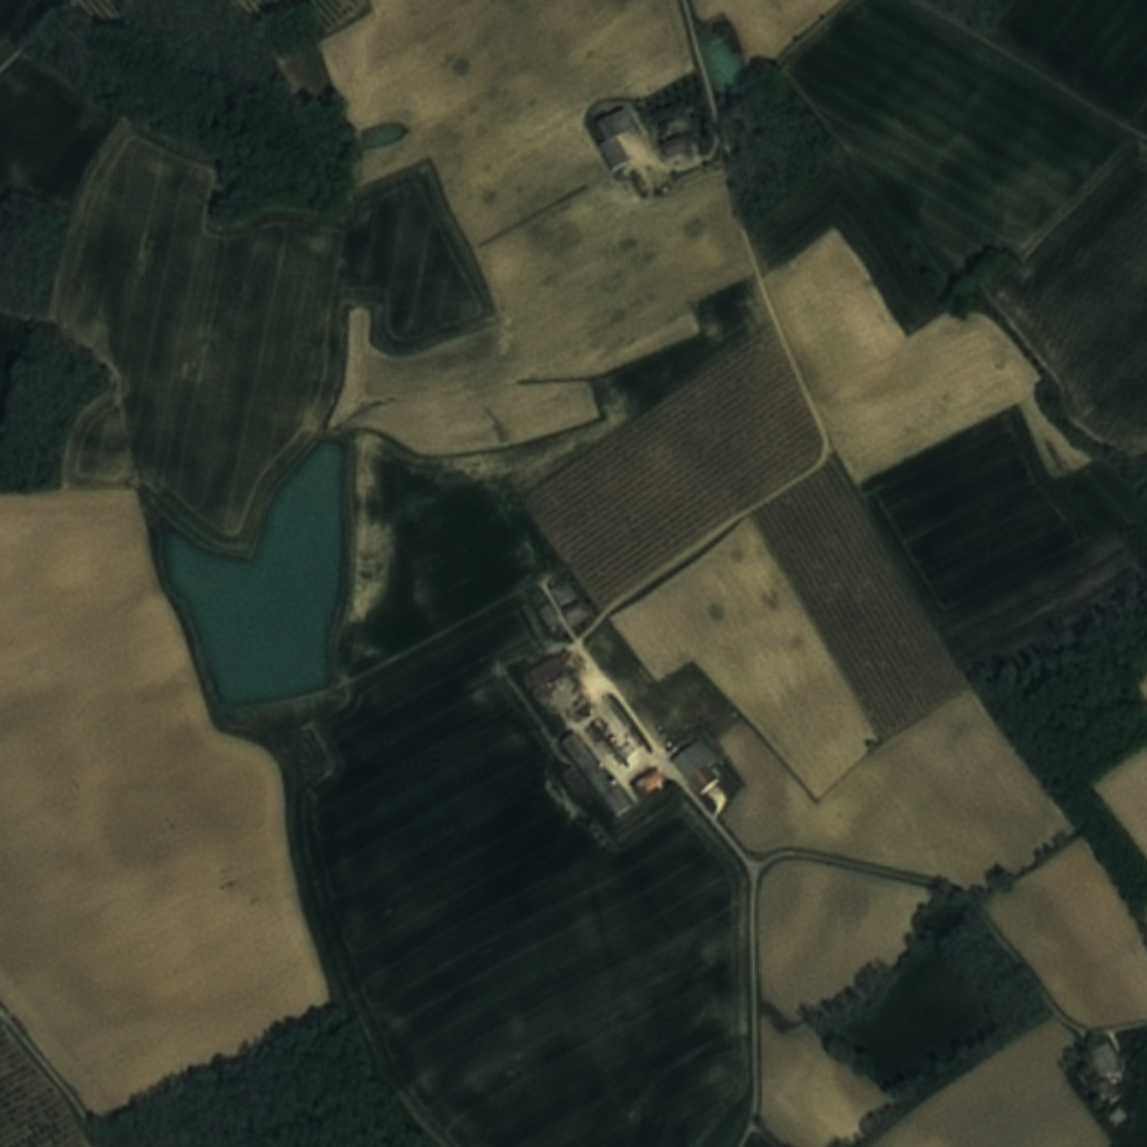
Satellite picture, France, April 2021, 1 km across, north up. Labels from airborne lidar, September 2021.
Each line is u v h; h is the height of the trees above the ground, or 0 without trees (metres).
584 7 0
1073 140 0
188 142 17
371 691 0
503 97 0
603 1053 0
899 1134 0
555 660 0
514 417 0
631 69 0
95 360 18
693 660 0
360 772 0
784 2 0
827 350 0
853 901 0
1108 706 15
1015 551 0
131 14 20
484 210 0
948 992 0
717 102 5
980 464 0
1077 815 14
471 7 0
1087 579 0
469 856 0
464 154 0
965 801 0
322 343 0
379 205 0
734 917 0
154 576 0
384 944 0
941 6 15
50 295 13
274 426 0
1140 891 17
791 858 0
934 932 7
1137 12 0
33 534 0
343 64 0
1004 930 0
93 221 0
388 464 0
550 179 0
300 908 0
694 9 0
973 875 0
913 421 0
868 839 0
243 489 0
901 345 0
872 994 23
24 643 0
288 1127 25
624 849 0
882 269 0
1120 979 0
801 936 0
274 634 0
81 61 18
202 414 0
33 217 19
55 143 0
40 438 18
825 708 0
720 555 0
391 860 0
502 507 0
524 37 0
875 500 0
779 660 0
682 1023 0
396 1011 0
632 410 0
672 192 0
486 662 0
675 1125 0
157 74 22
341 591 0
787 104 15
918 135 0
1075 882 0
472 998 0
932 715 0
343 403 0
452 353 0
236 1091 24
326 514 0
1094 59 0
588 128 0
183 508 0
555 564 0
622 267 0
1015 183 0
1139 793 0
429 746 0
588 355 0
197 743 0
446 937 0
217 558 0
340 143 24
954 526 0
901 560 0
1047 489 0
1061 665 24
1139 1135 0
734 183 12
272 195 24
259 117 24
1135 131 0
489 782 0
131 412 0
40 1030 0
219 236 0
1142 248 0
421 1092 0
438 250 0
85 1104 0
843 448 0
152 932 0
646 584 0
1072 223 0
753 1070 0
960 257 0
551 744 0
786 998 0
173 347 0
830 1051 15
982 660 0
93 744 0
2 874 0
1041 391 8
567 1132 0
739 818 0
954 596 0
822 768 0
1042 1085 0
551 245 0
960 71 0
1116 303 0
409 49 0
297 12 22
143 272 0
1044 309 0
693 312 0
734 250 0
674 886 0
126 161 0
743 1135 0
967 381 0
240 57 16
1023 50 0
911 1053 0
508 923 0
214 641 0
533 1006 0
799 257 0
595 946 0
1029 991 22
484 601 0
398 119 0
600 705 0
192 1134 25
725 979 0
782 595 0
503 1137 0
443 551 0
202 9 19
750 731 0
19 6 0
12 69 0
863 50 0
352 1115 25
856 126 0
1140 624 20
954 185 0
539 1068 0
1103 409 0
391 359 0
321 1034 23
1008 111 0
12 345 0
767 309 0
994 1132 0
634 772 0
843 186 0
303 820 0
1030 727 13
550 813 0
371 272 0
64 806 0
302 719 0
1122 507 0
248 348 0
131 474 0
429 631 0
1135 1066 8
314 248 0
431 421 0
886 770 0
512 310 0
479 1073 0
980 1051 16
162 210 0
